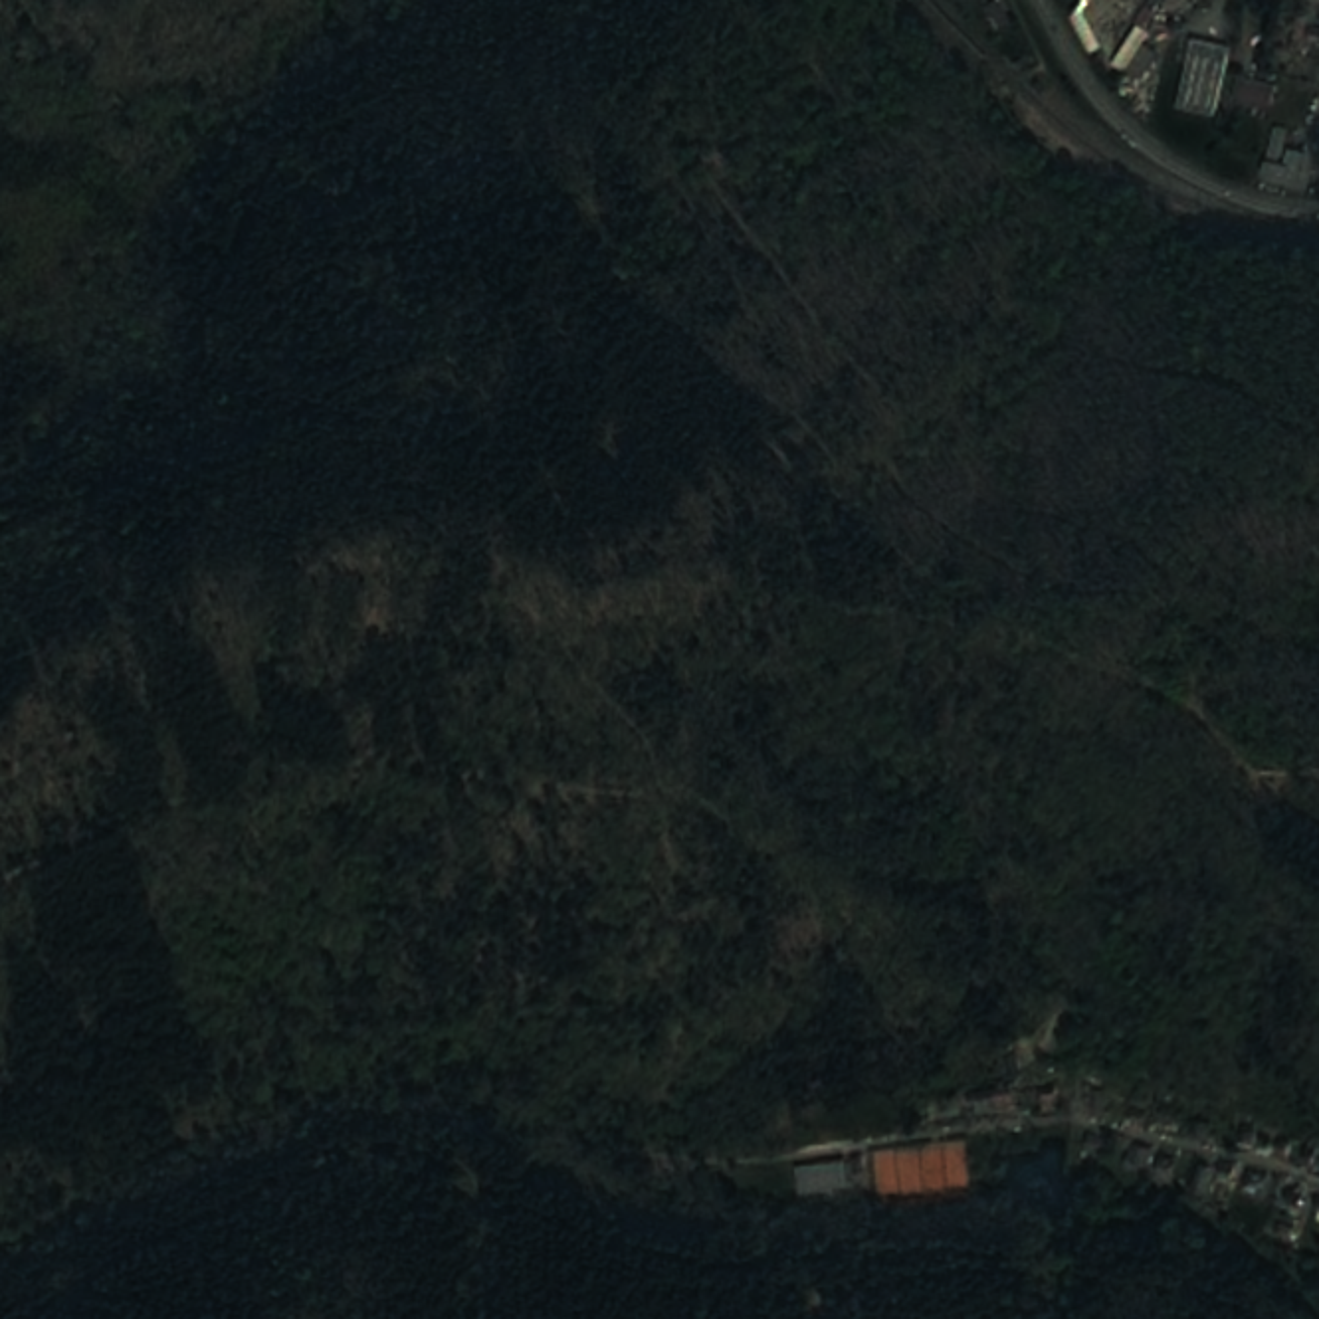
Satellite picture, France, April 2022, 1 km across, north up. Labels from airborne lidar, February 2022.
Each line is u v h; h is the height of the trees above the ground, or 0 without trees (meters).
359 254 21
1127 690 22
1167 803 22
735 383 28
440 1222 24
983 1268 27
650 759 15
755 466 23
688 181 31
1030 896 17
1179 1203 21
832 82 30
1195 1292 37
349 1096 28
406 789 20
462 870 19
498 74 23
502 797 19
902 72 31
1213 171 0
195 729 24
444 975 25
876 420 26
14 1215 19
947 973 21
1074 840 16
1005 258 29
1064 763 22
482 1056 14
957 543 14
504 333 26
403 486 20
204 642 17
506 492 30
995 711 23
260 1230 24
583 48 17
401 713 23
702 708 23
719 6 19
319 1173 22
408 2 24
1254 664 24
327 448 21
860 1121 0
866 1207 22
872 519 24
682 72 26
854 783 29
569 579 19
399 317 14
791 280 26
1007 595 18
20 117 29
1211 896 20
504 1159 45
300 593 17
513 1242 33
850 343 27
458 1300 26
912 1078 22
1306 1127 6
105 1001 31
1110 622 23
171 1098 9
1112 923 17
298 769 12
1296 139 0
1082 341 29
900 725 28
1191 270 23
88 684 14
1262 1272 21
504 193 29
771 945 21
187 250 20
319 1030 26
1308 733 25
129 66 11
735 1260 20
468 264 29
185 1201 30
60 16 27
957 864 25
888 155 25
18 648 24
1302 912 18
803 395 27
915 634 18
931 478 30
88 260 24
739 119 16
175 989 24
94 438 23
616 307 32
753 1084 29
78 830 21
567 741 18
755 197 29
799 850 22
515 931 28
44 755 16
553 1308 28
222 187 37
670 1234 34
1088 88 0
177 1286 26
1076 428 25
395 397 19
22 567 18
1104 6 0
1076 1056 24
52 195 21
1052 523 14
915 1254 27
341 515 18
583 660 20
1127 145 0
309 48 30
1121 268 28
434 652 19
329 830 19
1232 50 14
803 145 29
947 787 30
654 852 20
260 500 23
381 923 19
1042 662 20
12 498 21
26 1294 23
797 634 15
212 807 15
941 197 23
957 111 26
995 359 29
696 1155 27
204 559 21
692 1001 22
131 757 25
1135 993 22
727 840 24
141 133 19
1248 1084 16
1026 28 0
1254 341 26
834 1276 28
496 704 18
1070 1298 24
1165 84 0
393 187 27
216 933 17
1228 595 27
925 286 29
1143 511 26
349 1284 19
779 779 26
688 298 27
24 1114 40
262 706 16
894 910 23
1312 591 17
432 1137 25
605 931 17
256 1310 24
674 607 20
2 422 29
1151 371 27
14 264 20
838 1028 25
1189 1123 6
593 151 17
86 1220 23
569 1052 18
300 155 25
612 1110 23
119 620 10
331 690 22
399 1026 25
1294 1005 22
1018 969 17
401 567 12
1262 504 22
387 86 26
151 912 25
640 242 32
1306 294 24
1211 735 19
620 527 24
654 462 26
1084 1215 26
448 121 26
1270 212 0
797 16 28
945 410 28
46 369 29
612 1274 33
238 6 13
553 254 27
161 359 29
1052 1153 0
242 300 27
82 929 27
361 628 18
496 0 23
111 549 21
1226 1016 15
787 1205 11
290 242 26
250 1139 23
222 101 27
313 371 25
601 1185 7
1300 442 19
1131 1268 34
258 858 21
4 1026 24
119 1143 34
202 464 33
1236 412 22
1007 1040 7
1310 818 21
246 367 19
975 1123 11
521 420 29
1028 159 23
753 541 19
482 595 23
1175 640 16
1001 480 18
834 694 16
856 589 19
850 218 25
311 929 16
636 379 28
